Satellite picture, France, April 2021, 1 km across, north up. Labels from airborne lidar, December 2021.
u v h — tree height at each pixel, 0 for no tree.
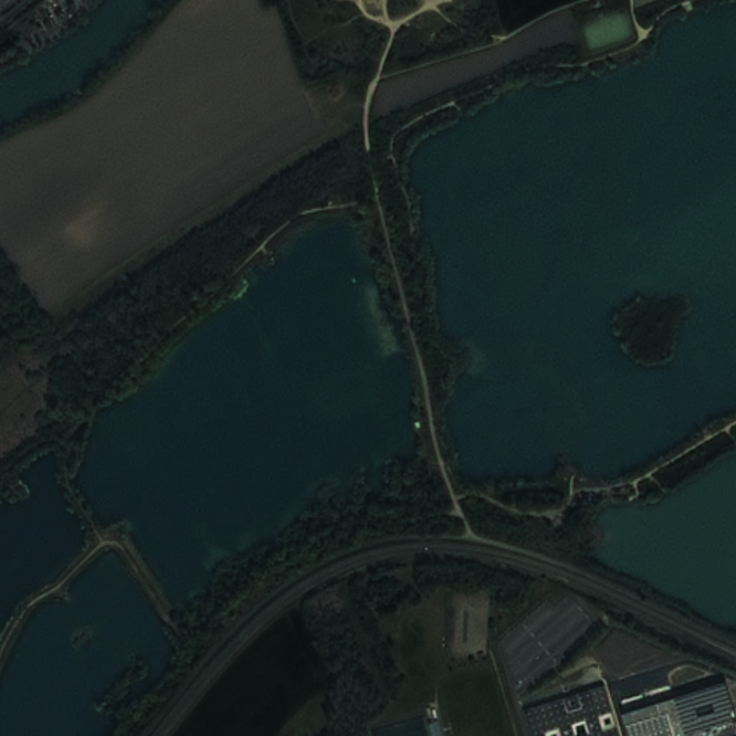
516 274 0
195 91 0
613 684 0
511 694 0
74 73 0
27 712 0
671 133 0
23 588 0
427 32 0
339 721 27
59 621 0
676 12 6
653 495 11
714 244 0
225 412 0
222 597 17
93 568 0
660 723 0
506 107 0
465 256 0
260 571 19
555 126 0
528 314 0
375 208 16
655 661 0
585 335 0
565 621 0
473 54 0
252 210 13
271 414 0
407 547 0
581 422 0
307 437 0
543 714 0
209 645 7
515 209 0
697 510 0
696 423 0
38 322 16
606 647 0
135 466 0
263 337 0
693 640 0
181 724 0
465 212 0
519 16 0
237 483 0
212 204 0
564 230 0
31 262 0
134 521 0
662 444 0
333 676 7
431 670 0
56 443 9
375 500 19
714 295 0
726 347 0
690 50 0
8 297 24
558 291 0
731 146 0
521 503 21
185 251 15
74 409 23
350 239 0
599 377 0
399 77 0
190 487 0
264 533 0
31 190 0
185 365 0
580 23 0
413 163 0
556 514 0
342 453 0
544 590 0
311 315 0
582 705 0
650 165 0
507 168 0
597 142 0
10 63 12
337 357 0
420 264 9
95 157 0
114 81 0
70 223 0
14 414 0
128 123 0
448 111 7
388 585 18
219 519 0
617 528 0
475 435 0
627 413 0
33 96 0
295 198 15
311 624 8
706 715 0
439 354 6
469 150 0
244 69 0
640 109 0
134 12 0
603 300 0
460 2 0
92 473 0
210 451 0
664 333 6
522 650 0
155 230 0
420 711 0
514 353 0
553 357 0
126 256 0
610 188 0
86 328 13
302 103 0
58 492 0
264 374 0
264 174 0
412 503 15
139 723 11
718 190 0
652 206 0
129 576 0
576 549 13
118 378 20
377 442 0
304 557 7
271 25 0
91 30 0
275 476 0
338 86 0
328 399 0
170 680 6
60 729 0
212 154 0
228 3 0
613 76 0
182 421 0
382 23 0
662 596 12
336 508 18
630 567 0
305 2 0
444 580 21
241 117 0
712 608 0
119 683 15
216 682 0
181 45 0
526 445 0
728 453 9
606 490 0
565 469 21
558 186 0
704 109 0
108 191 0
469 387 0
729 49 0
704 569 0
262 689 0
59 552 0
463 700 0
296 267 0
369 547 0
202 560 0
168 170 0
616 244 0
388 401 0
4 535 0
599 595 0
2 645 0
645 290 0
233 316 0
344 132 0
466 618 0
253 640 0
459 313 0
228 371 0
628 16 0
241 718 0
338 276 0
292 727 0
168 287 21
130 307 21
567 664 14
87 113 0
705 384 0
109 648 0
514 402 0
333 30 0
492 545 0
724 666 13
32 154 0
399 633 0
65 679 0
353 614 0
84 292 0
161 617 0
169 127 0
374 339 0
